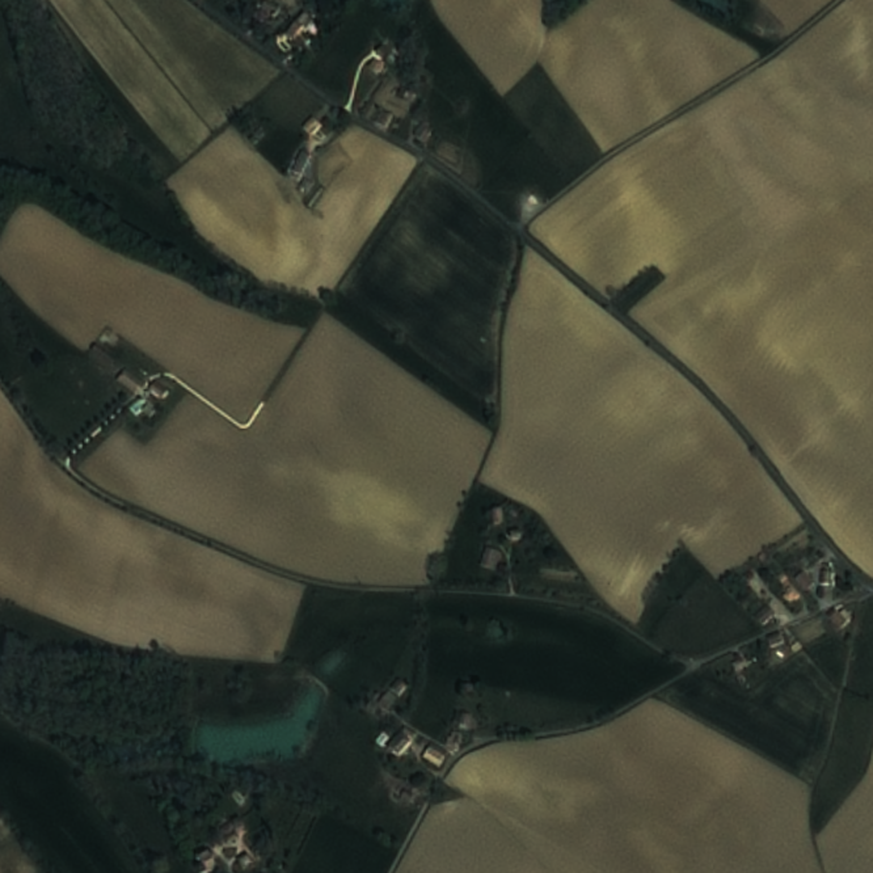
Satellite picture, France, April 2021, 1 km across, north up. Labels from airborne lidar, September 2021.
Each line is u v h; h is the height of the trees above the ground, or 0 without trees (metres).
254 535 0
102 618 0
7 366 0
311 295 10
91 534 0
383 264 0
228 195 0
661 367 0
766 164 0
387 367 0
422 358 0
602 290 0
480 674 0
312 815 12
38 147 0
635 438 0
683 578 0
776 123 0
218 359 0
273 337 0
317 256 0
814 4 0
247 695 20
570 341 0
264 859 9
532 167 0
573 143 0
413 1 0
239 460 0
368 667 0
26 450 0
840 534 0
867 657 0
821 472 0
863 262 0
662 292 0
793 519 0
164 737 18
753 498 0
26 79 19
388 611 0
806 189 0
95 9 0
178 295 0
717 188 0
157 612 0
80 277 0
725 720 0
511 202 0
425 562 0
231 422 0
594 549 0
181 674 18
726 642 0
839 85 0
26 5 21
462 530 0
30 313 0
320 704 0
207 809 7
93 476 0
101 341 0
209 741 0
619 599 0
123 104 0
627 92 0
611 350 0
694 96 0
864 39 0
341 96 0
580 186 0
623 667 0
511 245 0
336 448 0
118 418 14
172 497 0
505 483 0
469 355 0
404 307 0
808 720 0
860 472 0
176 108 0
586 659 0
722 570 0
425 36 0
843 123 0
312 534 0
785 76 0
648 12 0
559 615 0
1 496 0
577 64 0
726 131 0
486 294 0
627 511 0
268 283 8
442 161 0
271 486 0
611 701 0
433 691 0
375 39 0
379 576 0
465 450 0
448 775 0
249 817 0
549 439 0
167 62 0
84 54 0
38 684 15
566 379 0
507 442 0
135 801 0
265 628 0
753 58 0
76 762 14
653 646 0
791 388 0
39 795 0
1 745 0
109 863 0
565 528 0
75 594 0
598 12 0
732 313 0
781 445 0
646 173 0
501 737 11
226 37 0
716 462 0
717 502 0
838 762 0
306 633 0
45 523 0
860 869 0
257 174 0
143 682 11
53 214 9
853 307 0
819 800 0
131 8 0
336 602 0
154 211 0
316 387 0
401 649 0
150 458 0
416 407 0
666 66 0
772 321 0
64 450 18
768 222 0
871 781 0
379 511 0
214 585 0
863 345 0
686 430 0
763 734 0
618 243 0
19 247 0
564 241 0
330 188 0
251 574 0
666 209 0
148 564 0
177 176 0
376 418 0
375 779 0
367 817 0
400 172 0
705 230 0
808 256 0
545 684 0
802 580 0
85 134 25
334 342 0
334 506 0
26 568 0
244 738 0
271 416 0
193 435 0
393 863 0
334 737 0
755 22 0
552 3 17
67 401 0
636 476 0
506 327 0
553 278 0
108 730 28
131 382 0
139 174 7
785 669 0
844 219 0
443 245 0
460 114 0
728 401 0
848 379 0
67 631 0
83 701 22
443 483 0
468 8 0
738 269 0
